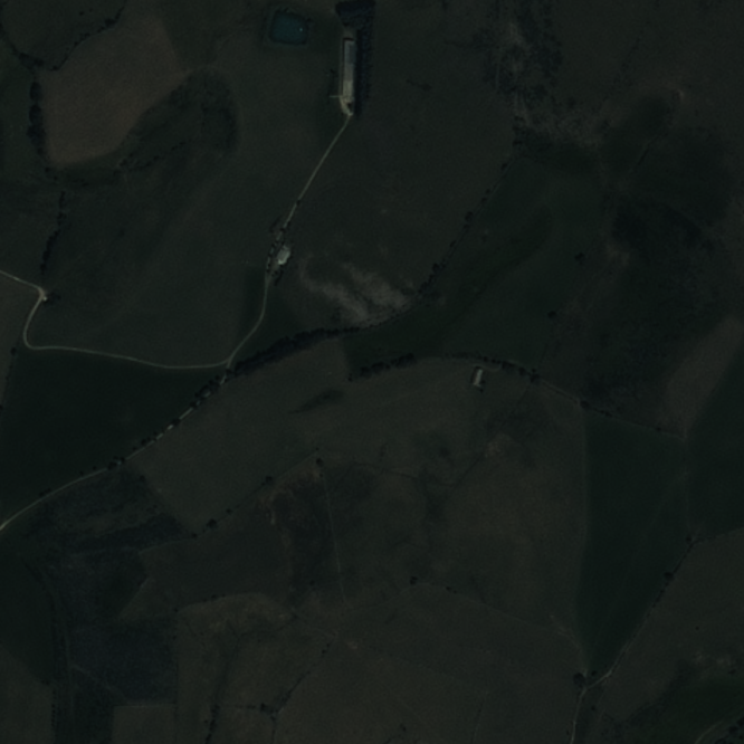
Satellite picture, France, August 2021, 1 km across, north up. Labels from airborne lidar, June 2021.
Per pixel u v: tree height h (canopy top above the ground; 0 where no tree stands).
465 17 0
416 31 0
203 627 0
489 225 0
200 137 0
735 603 0
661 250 0
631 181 0
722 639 0
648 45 0
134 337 0
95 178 0
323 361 0
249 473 0
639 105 0
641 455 0
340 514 0
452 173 0
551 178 0
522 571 0
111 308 0
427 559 0
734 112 0
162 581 0
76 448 0
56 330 0
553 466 0
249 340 0
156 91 0
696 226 0
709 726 0
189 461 0
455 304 0
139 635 0
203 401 13
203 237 0
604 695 0
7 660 0
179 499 0
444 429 0
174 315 0
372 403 0
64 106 0
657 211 0
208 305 0
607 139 0
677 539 0
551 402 0
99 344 0
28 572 0
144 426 0
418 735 0
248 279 0
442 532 0
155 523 0
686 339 0
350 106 7
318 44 0
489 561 0
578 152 0
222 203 0
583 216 0
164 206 0
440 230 0
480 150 0
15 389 0
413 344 0
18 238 0
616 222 0
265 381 0
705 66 0
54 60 0
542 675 0
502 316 0
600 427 0
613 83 0
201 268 0
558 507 0
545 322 0
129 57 0
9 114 0
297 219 0
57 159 0
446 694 0
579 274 0
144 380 0
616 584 0
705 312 0
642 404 0
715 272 0
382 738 0
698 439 0
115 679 0
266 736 0
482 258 0
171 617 0
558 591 0
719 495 0
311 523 0
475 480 0
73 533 0
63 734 0
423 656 0
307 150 0
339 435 0
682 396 0
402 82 0
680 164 0
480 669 0
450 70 0
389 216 0
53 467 0
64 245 0
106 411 0
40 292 0
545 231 5
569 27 0
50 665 0
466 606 0
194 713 0
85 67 0
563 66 0
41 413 0
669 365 0
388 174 0
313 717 0
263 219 0
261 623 0
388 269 0
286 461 0
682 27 0
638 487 0
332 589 0
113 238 0
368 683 0
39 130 12
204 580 0
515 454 0
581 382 0
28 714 0
